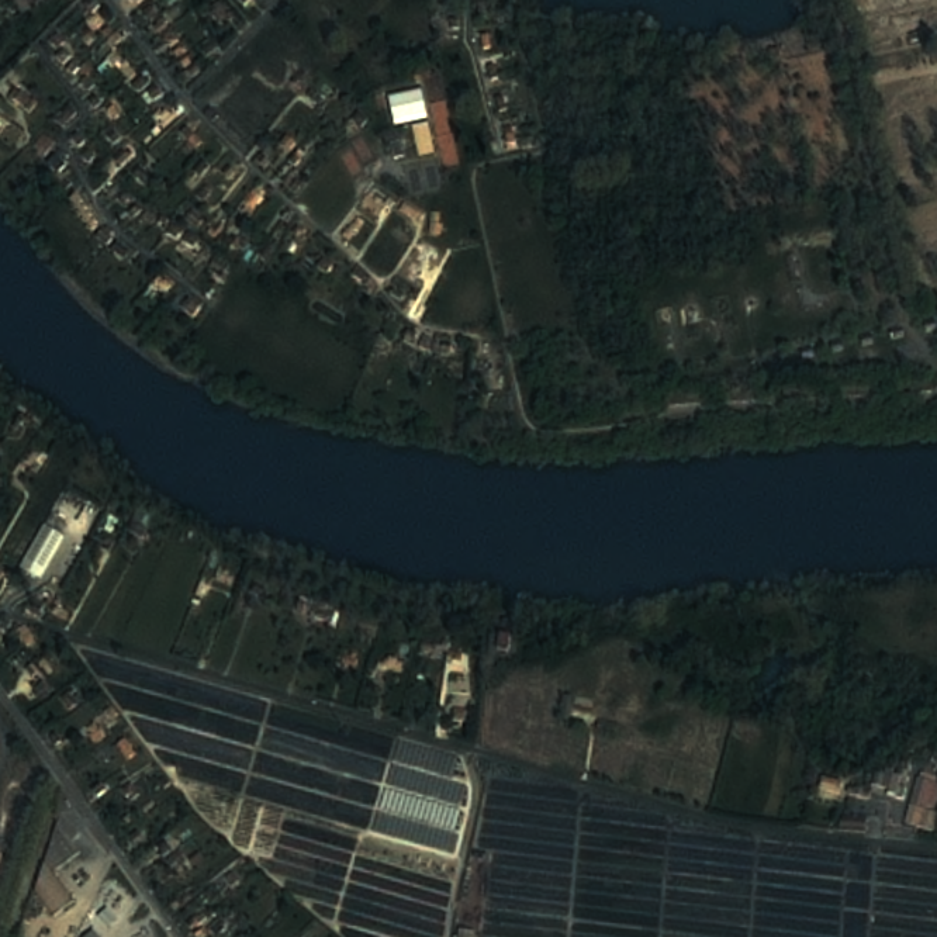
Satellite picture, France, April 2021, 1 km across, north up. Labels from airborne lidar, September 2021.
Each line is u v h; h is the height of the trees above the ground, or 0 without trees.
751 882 0
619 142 13
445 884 0
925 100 0
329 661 10
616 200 8
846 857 0
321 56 0
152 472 0
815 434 15
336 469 0
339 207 0
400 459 0
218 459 0
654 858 0
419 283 0
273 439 0
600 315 11
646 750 0
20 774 0
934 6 0
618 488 0
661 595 10
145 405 0
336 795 0
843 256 20
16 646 12
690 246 21
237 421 0
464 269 0
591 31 7
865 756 11
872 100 31
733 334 0
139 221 6
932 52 29
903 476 0
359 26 0
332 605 19
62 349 0
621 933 0
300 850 0
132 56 7
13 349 0
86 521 0
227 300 0
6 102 15
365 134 0
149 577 0
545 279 0
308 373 0
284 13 16
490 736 0
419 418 16
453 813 0
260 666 6
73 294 0
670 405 16
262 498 0
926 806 0
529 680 0
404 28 0
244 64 0
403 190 10
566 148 22
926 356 0
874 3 0
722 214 18
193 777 0
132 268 5
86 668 6
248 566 10
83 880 0
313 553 15
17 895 24
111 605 0
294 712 0
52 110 13
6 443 9
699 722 0
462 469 0
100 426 0
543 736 0
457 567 0
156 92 0
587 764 0
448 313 0
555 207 23
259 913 0
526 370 18
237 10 9
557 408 15
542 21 7
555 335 9
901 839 0
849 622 8
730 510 0
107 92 7
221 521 0
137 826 7
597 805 0
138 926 0
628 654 0
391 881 0
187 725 0
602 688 0
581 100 17
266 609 19
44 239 17
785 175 14
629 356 14
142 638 0
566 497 0
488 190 0
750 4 0
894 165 22
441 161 0
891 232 25
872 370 17
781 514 0
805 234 0
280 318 0
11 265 0
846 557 0
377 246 0
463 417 13
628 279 19
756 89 10
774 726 9
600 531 0
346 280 7
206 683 0
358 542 0
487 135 0
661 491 0
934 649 0
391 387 0
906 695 18
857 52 29
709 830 0
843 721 14
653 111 21
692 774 0
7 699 0
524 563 0
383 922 0
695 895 0
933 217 0
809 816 8
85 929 0
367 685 5
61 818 0
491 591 12
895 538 0
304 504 0
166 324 6
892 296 17
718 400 12
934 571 7
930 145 35
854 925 0
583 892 0
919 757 0
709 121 22
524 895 0
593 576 0
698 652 27
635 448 13
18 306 0
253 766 0
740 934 0
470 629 16
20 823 23
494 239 0
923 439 11
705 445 16
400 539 0
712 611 14
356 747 0
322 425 10
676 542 0
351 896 0
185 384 0
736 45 18
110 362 0
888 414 19
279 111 6
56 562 0
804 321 0
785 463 0
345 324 9
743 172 13
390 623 12
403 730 0
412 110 0
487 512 0
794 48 0
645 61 17
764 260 0
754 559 0
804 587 10
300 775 0
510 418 12
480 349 0
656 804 0
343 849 0
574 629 13
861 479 0
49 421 11
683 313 0
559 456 15
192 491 0
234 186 0
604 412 16
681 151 22
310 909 0
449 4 23
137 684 0
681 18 0
